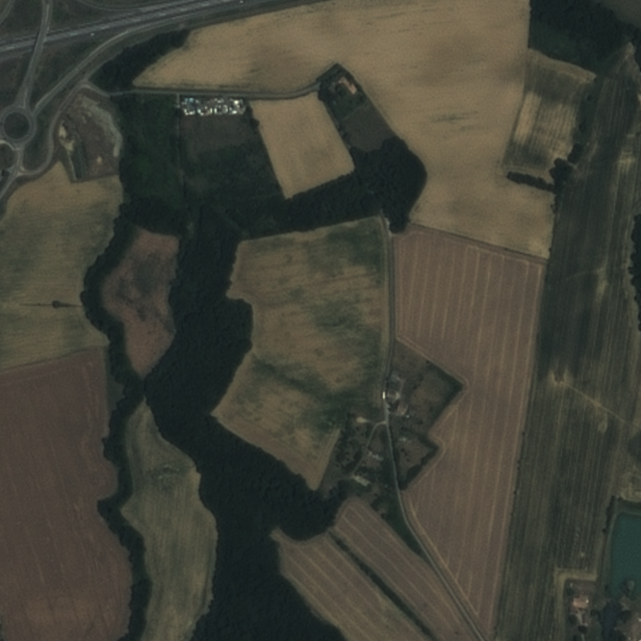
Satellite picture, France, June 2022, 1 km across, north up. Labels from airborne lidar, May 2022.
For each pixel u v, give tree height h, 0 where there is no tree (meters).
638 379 0
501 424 0
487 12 0
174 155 7
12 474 0
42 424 0
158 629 0
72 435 0
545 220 0
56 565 0
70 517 0
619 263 0
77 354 0
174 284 13
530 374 0
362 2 0
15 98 0
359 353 0
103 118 0
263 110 0
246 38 0
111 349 7
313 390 0
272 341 0
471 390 0
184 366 17
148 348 0
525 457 0
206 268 17
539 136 0
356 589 0
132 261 0
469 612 0
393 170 17
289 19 0
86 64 0
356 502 0
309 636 15
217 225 9
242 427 0
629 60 0
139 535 8
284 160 0
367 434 6
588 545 0
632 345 0
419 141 0
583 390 0
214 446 17
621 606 18
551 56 9
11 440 0
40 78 0
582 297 0
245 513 12
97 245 0
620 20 11
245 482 20
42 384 0
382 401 0
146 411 0
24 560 0
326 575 0
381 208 8
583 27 13
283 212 8
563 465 0
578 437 0
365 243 0
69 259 0
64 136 0
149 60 14
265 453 17
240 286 0
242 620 11
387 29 0
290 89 0
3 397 0
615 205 0
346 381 0
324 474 0
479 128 0
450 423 0
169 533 0
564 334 0
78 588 0
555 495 0
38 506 0
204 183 0
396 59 0
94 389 0
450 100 0
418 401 0
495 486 0
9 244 0
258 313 0
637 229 12
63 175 0
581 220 0
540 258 0
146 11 0
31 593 0
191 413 20
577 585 0
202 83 0
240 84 0
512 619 0
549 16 19
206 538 0
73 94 0
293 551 0
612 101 0
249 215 6
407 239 0
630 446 0
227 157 0
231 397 0
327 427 0
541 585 0
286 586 14
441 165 0
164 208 13
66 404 0
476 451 0
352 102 6
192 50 0
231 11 0
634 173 0
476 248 0
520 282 0
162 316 0
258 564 14
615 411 0
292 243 0
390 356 0
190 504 0
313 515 24
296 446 0
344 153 0
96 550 0
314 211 15
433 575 0
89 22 0
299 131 0
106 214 0
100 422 0
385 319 0
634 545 0
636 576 0
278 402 0
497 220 0
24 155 0
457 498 0
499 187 0
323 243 0
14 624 0
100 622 0
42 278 0
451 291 0
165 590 0
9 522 0
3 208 0
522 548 0
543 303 0
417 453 0
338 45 0
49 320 0
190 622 0
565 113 0
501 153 0
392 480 6
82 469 0
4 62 0
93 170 0
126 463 6
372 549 0
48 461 0
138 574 5
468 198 0
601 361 0
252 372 0
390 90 0
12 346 0
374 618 0
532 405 0
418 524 0
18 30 0
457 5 0
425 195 0
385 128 0
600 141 0
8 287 0
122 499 12
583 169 0
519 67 0
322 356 0
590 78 0
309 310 0
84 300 13
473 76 0
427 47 0
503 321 0
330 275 0
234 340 19
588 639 0
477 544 0
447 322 0
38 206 0
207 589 0
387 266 0
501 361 0
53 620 0
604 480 0
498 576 0
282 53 0
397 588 0
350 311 0
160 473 0
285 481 27
